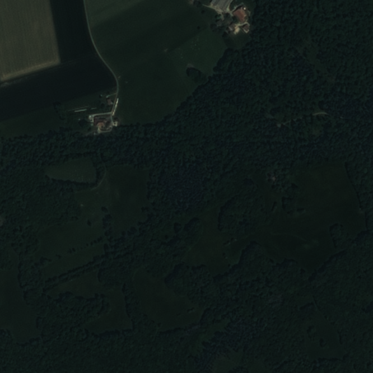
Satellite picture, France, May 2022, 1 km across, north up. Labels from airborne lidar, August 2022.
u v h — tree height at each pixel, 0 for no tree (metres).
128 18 0
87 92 0
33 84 0
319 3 25
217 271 0
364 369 12
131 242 19
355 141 24
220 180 24
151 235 25
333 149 21
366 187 21
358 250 21
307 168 16
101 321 0
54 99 0
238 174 24
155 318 0
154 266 19
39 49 0
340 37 28
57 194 20
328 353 0
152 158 23
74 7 0
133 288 17
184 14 0
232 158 20
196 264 0
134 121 0
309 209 0
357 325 19
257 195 20
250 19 7
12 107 0
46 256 0
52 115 0
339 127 26
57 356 22
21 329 0
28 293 20
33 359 18
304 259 0
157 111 0
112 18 0
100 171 21
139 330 18
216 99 21
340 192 0
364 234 19
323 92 10
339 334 13
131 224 0
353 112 22
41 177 20
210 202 24
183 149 28
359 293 22
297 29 20
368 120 21
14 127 0
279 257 0
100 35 0
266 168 17
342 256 20
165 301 0
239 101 21
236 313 21
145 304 0
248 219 23
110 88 0
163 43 0
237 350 24
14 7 0
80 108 0
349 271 23
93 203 0
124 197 0
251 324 21
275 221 0
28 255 19
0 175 16
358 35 24
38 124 0
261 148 20
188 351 17
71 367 20
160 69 0
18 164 20
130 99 0
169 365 22
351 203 0
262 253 22
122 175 0
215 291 21
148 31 0
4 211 17
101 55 0
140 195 0
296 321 14
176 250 27
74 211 20
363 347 13
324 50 25
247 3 0
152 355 21
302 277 23
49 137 8
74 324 18
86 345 25
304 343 14
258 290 22
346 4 23
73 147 23
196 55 0
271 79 26
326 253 0
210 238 0
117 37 0
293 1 13
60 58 0
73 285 0
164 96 0
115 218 0
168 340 25
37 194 19
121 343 17
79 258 0
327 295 21
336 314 17
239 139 23
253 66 26
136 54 0
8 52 0
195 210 25
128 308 16
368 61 25
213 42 0
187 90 0
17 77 0
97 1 0
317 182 0
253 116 15
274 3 23
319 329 0
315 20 23
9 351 24
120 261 19
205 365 22
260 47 16
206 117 26
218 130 28
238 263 0
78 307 19
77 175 0
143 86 0
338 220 0
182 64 0
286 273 26
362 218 0
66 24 0
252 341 19
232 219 27
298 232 0
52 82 0
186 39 0
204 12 10
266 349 19
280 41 26
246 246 0
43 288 10
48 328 20
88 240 0
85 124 22
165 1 0
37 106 0
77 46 0
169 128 26
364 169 25
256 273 24
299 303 0
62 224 15
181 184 24
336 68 21
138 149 21
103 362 19
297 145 22
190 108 24
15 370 20
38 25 0
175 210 17
